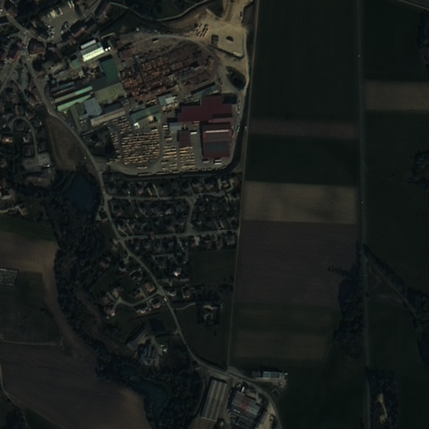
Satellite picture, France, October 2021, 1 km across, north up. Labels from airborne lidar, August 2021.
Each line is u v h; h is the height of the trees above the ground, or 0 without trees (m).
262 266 0
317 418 0
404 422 0
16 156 6
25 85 0
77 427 0
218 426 7
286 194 0
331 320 0
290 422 0
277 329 0
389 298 0
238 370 0
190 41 0
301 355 0
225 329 0
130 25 0
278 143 0
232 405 0
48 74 0
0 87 0
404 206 0
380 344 0
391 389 12
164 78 0
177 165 0
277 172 0
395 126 0
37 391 0
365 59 0
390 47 0
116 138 0
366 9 0
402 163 0
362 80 0
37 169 0
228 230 0
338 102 0
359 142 0
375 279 0
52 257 0
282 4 0
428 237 0
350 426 0
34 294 0
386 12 0
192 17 0
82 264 20
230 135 0
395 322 0
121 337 18
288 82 0
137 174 0
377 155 0
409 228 0
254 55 0
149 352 0
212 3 0
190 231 0
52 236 0
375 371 0
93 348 8
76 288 7
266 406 0
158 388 0
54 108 0
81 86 0
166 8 0
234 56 0
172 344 0
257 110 0
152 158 0
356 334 23
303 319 0
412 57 0
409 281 0
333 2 0
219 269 0
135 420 0
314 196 0
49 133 0
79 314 7
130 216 0
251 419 0
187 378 16
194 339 0
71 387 0
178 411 9
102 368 13
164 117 0
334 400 0
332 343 0
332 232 0
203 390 0
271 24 0
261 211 0
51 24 0
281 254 0
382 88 0
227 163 0
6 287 0
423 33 14
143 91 0
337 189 0
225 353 0
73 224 18
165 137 0
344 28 0
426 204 0
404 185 0
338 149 0
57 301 0
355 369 0
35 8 19
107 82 0
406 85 0
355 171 0
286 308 0
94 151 12
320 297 0
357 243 0
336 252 0
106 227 0
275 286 0
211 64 0
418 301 14
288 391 0
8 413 0
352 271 0
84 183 0
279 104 0
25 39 0
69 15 0
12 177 10
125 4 0
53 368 0
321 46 0
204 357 0
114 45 0
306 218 0
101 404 0
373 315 0
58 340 0
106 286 0
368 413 0
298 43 0
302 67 0
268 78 0
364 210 0
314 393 0
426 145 0
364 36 0
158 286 0
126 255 7
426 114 0
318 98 0
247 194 0
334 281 0
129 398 0
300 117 0
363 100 0
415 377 0
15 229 0
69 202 10
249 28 0
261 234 0
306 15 0
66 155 0
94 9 0
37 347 0
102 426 0
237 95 0
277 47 0
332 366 0
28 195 19
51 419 0
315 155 0
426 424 0
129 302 0
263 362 0
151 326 0
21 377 0
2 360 0
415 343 0
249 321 0
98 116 0
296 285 0
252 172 0
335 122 0
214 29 0
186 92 0
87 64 0
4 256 0
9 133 6
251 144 0
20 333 0
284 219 0
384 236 0
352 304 26
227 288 9
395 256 0
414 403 0
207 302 11
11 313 0
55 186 12
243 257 0
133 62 0
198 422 0
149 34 0
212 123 0
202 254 0
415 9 0
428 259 0
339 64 0
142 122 0
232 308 0
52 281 0
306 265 0
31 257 0
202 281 0
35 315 0
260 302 0
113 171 0
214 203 0
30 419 0
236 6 0
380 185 0
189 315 0
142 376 0
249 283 0
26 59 0
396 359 0
